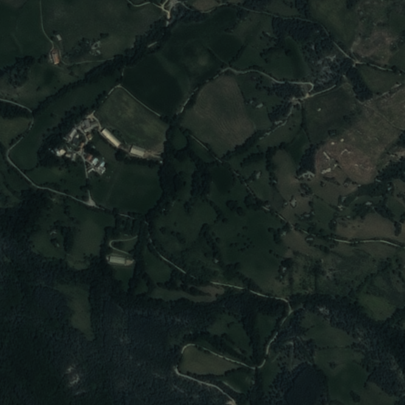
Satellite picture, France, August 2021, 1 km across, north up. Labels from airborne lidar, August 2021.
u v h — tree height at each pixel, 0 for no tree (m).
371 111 0
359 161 0
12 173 11
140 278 22
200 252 0
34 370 21
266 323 0
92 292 13
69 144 8
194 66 0
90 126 0
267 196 0
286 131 0
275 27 11
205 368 0
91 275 17
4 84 0
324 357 0
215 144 0
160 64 0
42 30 0
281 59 0
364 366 8
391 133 0
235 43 0
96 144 0
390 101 0
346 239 7
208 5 0
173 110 0
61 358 23
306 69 0
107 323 7
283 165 0
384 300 0
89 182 13
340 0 0
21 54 0
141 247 18
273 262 0
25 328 19
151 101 0
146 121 0
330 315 8
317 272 14
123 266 0
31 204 26
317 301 11
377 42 0
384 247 0
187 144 7
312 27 11
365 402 0
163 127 0
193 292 21
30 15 0
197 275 8
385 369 7
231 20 0
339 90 0
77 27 0
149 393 11
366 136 0
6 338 23
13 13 0
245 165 7
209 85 0
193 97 11
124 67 7
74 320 0
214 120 0
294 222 0
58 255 0
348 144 0
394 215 8
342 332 0
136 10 0
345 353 0
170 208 17
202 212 0
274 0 0
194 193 17
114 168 0
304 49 9
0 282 11
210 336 20
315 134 0
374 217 0
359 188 8
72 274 14
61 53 0
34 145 0
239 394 11
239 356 17
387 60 0
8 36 0
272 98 0
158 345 11
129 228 8
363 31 0
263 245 0
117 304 7
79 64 8
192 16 12
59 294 13
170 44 0
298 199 0
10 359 25
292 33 13
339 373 0
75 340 6
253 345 9
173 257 12
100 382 14
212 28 0
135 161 11
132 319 18
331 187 0
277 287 0
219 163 11
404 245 11
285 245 0
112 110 0
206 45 0
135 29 0
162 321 13
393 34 0
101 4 0
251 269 0
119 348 10
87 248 0
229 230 0
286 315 15
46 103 16
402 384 7
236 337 0
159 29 25
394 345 16
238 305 11
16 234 28
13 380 23
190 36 0
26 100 0
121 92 0
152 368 9
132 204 0
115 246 10
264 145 0
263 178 0
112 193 0
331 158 0
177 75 0
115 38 0
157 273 0
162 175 24
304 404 19
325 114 0
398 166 17
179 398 7
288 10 0
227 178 0
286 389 12
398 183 0
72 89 19
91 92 0
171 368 10
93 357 13
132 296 20
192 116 0
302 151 0
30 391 19
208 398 11
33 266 17
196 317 14
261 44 0
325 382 13
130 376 9
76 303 0
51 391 18
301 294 20
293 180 0
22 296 11
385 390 7
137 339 9
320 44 7
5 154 8
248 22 0
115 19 0
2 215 22
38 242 0
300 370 11
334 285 0
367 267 0
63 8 0
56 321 16
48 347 25
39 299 14
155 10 0
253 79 0
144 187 0
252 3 6
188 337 8
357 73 15
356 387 0
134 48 15
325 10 0
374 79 0
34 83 0
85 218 0
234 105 0
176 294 0
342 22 0
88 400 19
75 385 6
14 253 16
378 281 0
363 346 6
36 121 0
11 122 0
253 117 0
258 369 14
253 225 0
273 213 8
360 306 17
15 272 18
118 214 13
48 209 9
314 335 0
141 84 0
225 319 0
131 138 0
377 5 0
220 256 17
